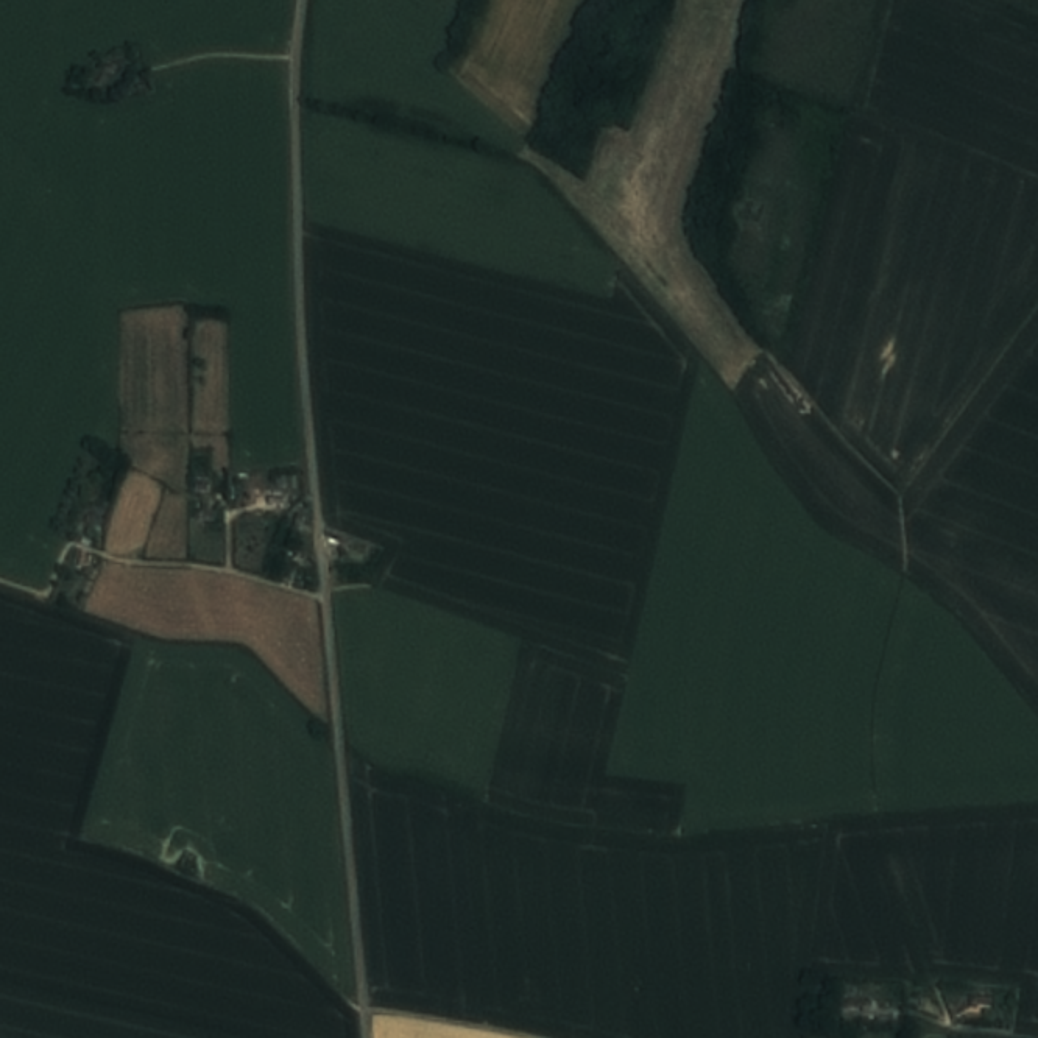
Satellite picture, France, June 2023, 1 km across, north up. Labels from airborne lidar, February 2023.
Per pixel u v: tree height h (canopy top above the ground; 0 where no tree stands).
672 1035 0
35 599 0
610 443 0
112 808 0
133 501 0
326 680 0
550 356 0
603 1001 0
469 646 0
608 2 23
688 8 0
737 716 0
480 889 0
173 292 0
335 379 0
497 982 0
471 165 0
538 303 0
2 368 0
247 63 0
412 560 0
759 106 7
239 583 0
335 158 0
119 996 0
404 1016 0
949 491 0
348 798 0
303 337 0
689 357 0
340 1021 0
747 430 0
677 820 0
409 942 0
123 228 0
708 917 0
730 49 0
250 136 0
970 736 0
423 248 0
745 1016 0
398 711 0
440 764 0
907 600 0
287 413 0
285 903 0
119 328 0
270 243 0
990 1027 7
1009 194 0
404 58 0
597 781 0
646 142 0
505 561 0
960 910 0
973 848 0
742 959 0
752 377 0
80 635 0
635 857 0
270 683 0
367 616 0
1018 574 0
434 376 0
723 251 7
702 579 0
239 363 0
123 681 0
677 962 0
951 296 0
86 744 0
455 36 18
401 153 0
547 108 19
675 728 0
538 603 0
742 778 0
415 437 0
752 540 0
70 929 0
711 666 0
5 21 0
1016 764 0
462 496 0
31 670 0
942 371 0
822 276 0
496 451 0
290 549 11
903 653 0
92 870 0
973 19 0
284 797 0
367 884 0
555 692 0
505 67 0
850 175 0
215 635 0
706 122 0
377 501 0
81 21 0
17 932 0
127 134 0
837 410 0
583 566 0
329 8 0
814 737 0
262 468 0
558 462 0
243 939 0
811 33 0
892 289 0
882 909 0
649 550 0
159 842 0
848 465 0
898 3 0
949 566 0
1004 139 0
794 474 0
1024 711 0
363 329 0
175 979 0
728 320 0
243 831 0
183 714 0
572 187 0
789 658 0
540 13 0
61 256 0
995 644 0
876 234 0
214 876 0
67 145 0
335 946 0
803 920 0
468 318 0
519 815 0
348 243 0
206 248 0
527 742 0
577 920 0
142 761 0
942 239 0
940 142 0
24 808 0
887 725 0
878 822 0
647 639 0
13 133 0
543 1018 0
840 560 0
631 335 0
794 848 0
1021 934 0
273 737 0
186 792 0
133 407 0
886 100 0
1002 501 0
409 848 0
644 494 0
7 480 0
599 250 0
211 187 0
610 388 0
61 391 0
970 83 0
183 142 0
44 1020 0
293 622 0
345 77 0
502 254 0
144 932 0
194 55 0
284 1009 0
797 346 0
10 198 0
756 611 0
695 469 0
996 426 0
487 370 0
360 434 0
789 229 0
